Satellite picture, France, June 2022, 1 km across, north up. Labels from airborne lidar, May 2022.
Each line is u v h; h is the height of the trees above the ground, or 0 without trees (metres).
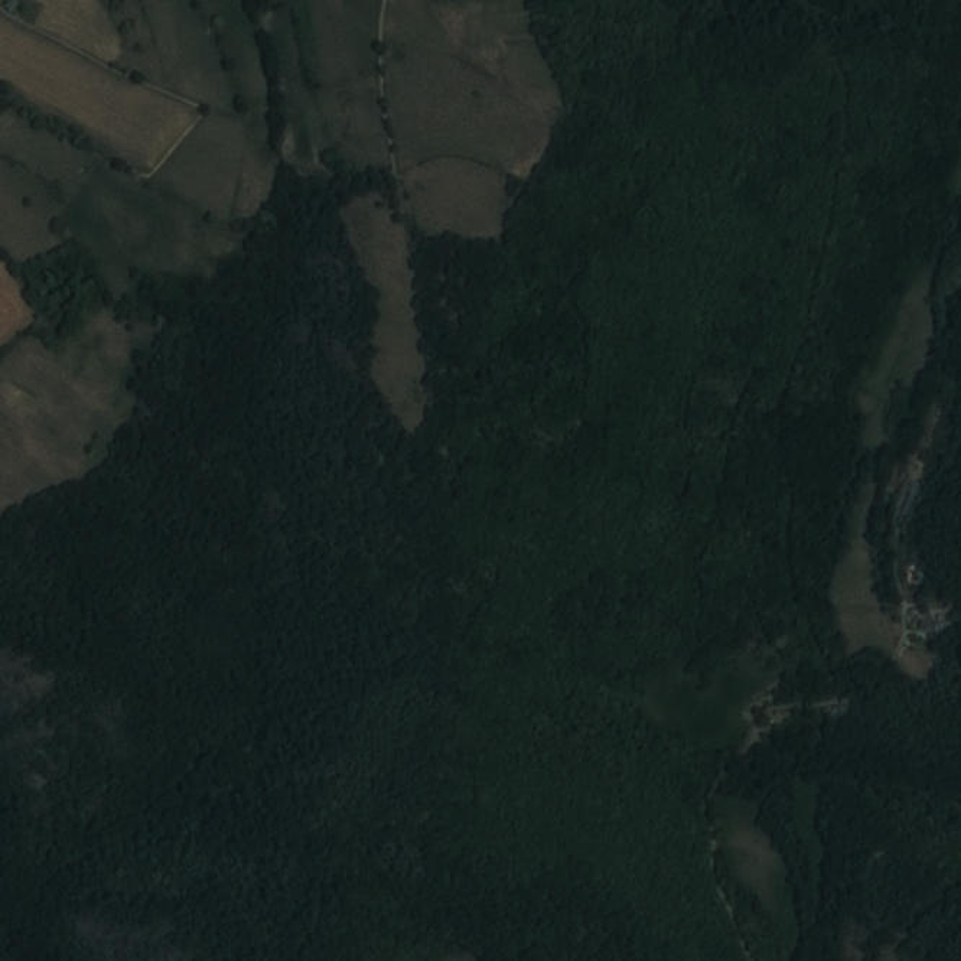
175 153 0
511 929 14
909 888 15
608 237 13
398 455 16
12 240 0
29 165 0
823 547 21
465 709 17
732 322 19
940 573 15
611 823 14
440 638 12
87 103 0
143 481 19
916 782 18
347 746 17
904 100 17
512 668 18
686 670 8
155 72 0
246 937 19
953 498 19
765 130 19
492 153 0
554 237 15
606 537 14
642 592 20
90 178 0
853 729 15
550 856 15
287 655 13
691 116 12
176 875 13
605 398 11
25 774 7
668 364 14
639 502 16
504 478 18
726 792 33
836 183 10
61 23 0
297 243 20
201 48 0
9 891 13
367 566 12
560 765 15
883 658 19
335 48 0
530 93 0
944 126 18
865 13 8
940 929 24
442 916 24
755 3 26
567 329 9
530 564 15
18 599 21
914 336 0
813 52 19
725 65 19
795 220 19
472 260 17
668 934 12
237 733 15
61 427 0
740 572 17
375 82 0
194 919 21
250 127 0
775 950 19
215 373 27
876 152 17
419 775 18
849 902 15
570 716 23
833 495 21
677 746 19
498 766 15
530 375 10
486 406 19
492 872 20
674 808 13
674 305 14
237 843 27
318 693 21
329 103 0
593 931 18
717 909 14
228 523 10
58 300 12
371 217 0
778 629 21
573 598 19
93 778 19
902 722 12
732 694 0
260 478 10
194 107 0
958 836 23
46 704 12
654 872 16
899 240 18
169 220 0
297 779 17
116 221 0
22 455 0
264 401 14
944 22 12
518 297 15
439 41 0
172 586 24
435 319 16
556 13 16
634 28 22
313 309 11
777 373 16
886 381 0
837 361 18
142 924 9
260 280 15
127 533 20
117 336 0
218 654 8
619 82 12
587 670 21
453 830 15
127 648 19
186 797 17
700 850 13
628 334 14
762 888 0
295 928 21
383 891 17
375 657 15
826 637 18
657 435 11
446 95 0
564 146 8
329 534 14
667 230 18
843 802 23
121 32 9
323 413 8
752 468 24
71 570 15
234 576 10
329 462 14
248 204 0
